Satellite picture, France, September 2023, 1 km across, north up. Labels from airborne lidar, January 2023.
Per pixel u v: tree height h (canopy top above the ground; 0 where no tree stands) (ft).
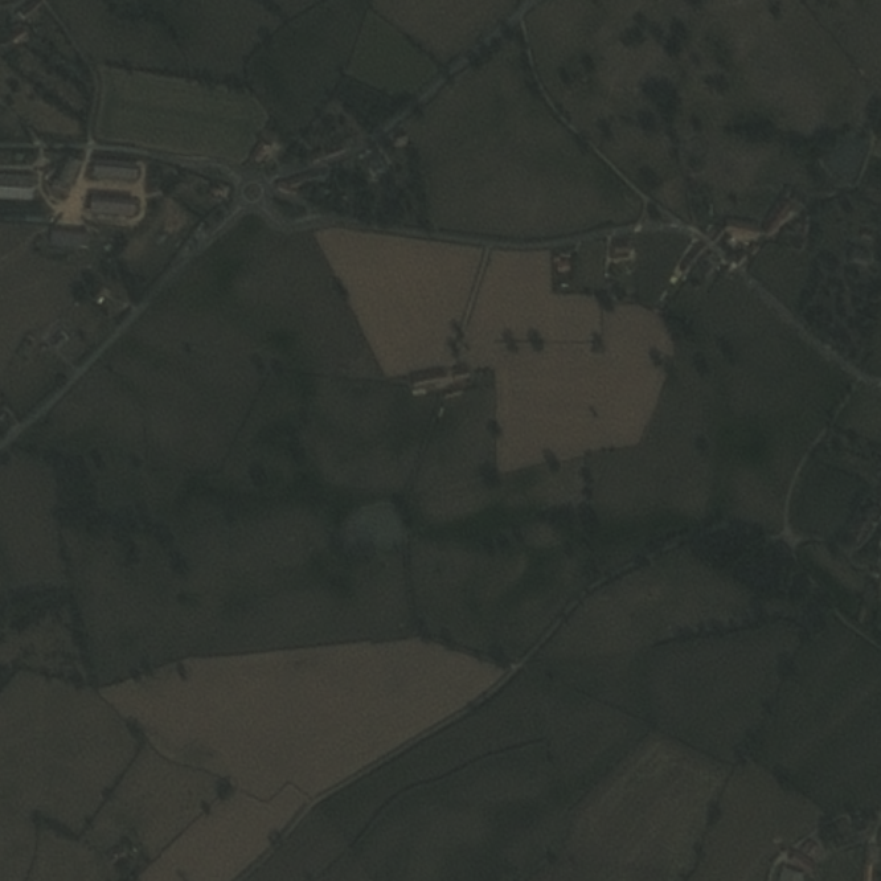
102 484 0
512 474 0
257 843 0
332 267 0
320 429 0
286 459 0
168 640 0
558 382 0
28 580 0
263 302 0
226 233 0
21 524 0
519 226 0
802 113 0
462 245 0
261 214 0
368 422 0
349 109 32
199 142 0
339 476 0
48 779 0
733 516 0
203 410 0
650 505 0
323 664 0
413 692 0
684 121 0
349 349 0
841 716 0
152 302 0
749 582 73
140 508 0
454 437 0
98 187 0
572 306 0
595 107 0
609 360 0
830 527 0
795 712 0
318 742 0
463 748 0
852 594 0
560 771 0
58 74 23
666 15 0
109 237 0
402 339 0
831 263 57
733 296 0
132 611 0
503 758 0
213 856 0
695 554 57
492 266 0
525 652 0
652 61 0
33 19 0
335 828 0
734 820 0
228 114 0
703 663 0
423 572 0
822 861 0
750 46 0
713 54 0
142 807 0
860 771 0
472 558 0
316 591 0
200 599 0
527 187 0
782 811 0
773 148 0
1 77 0
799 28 0
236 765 0
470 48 0
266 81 0
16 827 0
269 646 0
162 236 0
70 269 0
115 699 0
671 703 0
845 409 0
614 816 0
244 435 0
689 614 0
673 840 0
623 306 0
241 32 0
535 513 0
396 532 0
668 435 0
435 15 0
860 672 0
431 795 0
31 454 34
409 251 0
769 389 0
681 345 0
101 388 0
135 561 29
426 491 0
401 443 0
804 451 0
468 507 0
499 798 0
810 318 52
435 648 0
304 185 41
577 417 0
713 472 0
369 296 0
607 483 0
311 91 0
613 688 0
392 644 0
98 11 0
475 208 0
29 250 0
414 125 0
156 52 0
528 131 0
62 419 0
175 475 0
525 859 0
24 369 0
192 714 0
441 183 0
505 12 0
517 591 0
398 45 0
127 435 0
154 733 0
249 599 0
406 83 0
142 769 0
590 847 0
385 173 45
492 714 0
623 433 0
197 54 0
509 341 47
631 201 0
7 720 0
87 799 0
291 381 0
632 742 0
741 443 0
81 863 0
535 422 0
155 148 0
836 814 0
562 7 0
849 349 99
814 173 0
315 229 0
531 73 50
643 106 0
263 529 0
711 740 0
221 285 0
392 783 0
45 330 0
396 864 0
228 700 0
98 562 0
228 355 0
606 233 0
